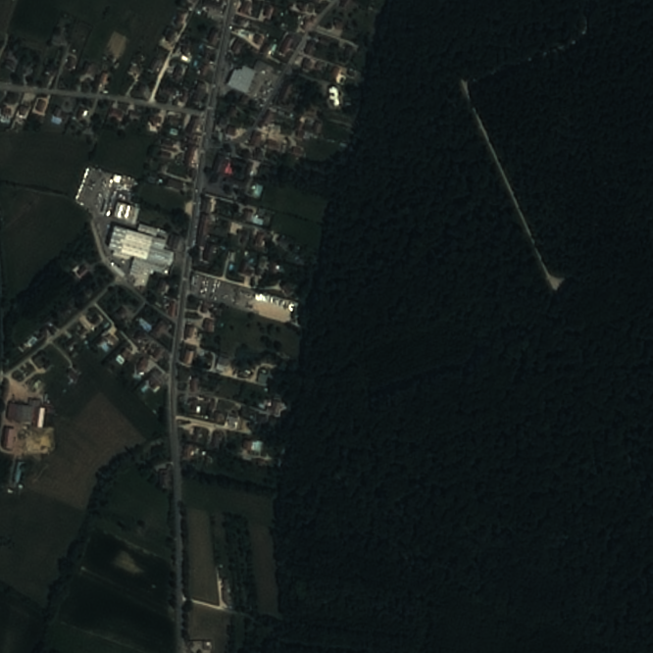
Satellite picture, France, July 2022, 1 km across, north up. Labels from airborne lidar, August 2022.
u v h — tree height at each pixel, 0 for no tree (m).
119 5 0
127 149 0
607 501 26
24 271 0
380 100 23
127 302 7
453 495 26
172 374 0
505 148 21
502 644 11
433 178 25
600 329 17
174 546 6
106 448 0
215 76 0
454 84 16
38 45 0
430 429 27
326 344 26
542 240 20
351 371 27
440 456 26
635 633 25
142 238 0
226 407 0
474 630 12
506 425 29
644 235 21
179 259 0
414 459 28
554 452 22
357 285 29
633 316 16
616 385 28
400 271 25
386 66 19
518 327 19
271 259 9
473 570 25
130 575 0
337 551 22
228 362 0
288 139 8
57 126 0
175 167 0
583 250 19
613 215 22
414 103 20
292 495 23
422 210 24
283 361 14
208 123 0
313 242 0
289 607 17
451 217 29
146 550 0
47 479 0
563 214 19
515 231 25
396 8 21
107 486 18
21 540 0
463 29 25
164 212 6
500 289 22
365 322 24
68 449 0
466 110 22
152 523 0
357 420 24
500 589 24
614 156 21
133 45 0
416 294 25
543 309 26
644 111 23
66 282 16
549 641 11
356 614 18
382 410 27
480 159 20
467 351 7
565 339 24
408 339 7
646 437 23
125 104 0
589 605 24
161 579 0
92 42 0
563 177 21
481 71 17
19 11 0
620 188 17
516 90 20
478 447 28
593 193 22
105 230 0
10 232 0
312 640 20
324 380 31
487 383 28
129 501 0
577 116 21
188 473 14
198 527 0
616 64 25
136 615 0
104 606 0
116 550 0
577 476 26
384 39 23
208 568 0
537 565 24
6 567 0
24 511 0
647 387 24
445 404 27
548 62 25
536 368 10
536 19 21
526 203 20
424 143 23
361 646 15
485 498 26
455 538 26
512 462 27
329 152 0
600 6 25
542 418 25
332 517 27
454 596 13
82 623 0
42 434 0
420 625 16
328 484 21
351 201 23
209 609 0
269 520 0
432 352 7
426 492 23
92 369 0
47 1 0
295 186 11
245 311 0
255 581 7
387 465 25
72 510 0
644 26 25
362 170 22
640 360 16
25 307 18
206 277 0
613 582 30
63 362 0
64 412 0
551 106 25
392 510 22
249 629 9
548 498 25
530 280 17
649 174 28
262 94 0
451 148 23
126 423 0
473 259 22
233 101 10
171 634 0
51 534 0
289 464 18
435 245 9
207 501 0
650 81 25
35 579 0
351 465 20
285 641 10
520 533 25
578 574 23
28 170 0
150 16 0
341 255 27
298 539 24
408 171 23
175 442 0
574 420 18
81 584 0
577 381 24
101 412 0
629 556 25
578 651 11
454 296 22
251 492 13
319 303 28
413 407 26
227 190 14
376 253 16
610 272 23
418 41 27
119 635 0
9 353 8
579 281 22
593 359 26
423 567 27
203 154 0
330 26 6
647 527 24
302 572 21
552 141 21
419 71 25
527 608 21
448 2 25
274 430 13
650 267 21
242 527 8
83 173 0
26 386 0
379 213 25
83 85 5
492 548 22
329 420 27
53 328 12
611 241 22
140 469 10
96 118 9
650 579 30
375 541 23
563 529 20
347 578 22
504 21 24
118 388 0
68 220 0
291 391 22
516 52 22
